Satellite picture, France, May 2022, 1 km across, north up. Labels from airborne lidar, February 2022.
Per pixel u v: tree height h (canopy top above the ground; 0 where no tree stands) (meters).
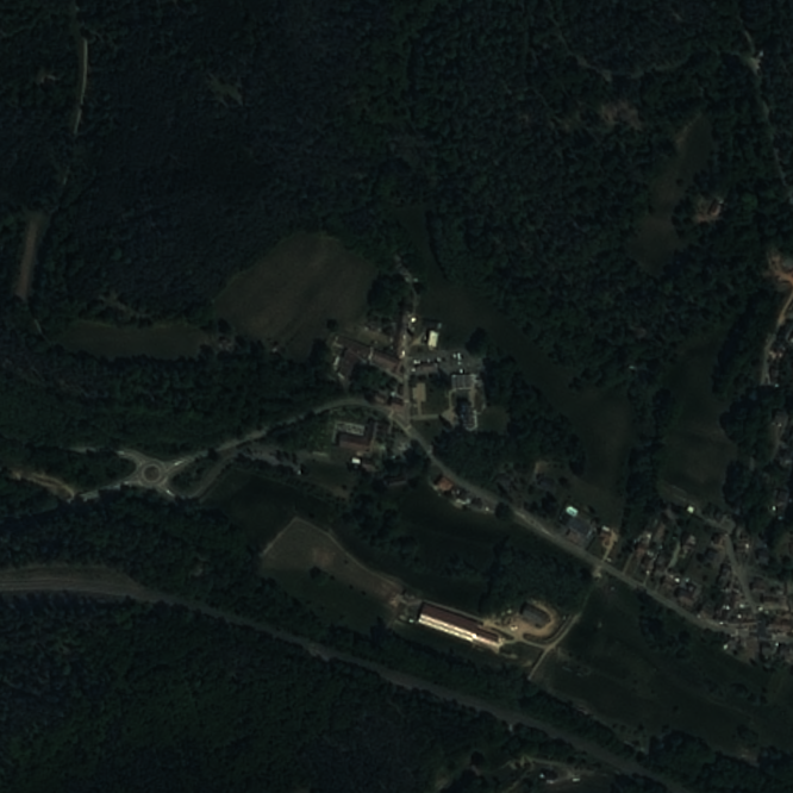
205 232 18
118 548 25
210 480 0
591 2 24
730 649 0
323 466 0
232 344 0
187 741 19
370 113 24
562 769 0
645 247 0
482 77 30
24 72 10
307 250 0
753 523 22
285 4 27
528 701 25
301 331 0
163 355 0
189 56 17
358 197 26
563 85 25
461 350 0
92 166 13
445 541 0
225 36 14
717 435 0
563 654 0
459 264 28
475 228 34
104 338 0
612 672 0
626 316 26
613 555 0
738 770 23
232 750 19
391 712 19
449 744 21
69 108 28
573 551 0
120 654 20
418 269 28
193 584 20
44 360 23
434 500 0
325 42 26
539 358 0
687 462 0
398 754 18
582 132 0
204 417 28
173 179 16
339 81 21
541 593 27
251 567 30
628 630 0
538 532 0
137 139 12
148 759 20
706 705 0
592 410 0
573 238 28
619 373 22
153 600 0
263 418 27
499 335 0
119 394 23
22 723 30
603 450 0
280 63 25
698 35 30
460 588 0
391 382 13
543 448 23
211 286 19
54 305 19
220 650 21
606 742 17
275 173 20
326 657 0
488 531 0
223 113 16
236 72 20
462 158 25
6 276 16
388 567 0
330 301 0
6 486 21
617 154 24
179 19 16
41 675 34
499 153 24
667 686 0
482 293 22
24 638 34
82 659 18
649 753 0
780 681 0
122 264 19
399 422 0
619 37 28
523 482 9
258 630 0
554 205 28
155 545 31
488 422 0
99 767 20
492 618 0
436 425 0
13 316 7
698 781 18
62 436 21
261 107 20
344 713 15
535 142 30
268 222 21
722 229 22
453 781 0
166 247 17
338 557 0
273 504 0
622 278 27
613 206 32
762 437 24
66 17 17
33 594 0
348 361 0
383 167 28
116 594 0
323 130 19
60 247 11
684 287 30
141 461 0
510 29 31
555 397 0
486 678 20
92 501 0
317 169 27
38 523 31
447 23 31
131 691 27
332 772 23
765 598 0
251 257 17
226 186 18
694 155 0
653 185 0
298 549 0
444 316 0
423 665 24
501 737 23
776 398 21
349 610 0
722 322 27
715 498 0
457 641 0
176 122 13
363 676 15
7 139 21
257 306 0
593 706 0
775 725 0
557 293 34
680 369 0
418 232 0
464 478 19
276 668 18
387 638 25
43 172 8
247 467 18
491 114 25
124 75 13
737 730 0
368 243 26
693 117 12
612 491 0
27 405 23
